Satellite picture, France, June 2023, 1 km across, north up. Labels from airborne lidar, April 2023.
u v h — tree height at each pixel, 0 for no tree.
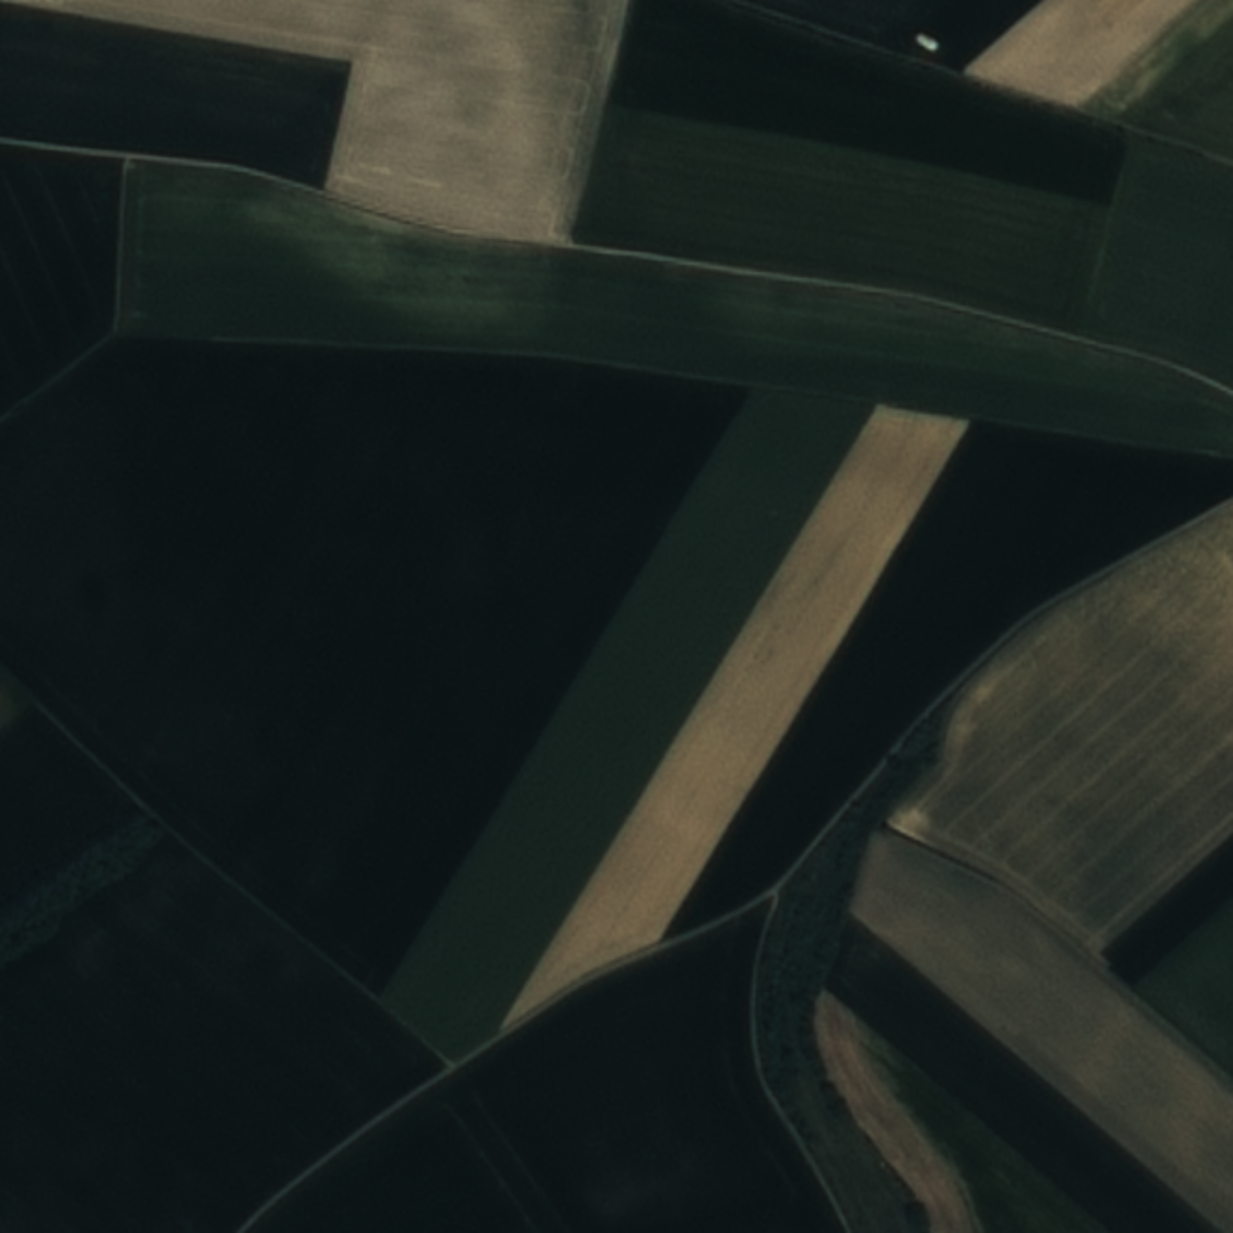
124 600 0
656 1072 0
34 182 0
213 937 0
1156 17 0
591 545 0
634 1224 0
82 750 0
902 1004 0
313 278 0
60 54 0
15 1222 0
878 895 0
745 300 0
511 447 0
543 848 0
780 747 0
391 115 0
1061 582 0
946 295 0
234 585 0
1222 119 0
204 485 0
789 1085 7
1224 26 0
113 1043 0
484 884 0
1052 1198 0
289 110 0
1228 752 0
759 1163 0
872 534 0
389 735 0
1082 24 0
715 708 0
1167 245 0
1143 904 0
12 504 0
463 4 0
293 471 0
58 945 0
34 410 0
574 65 0
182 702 0
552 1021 0
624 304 0
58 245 0
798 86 0
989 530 0
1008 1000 0
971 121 0
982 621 0
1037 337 0
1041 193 0
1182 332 0
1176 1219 0
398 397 0
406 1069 0
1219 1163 0
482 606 0
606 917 0
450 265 0
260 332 0
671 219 0
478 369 0
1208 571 0
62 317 0
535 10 0
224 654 0
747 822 0
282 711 0
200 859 0
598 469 0
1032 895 0
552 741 0
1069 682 0
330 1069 0
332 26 0
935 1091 0
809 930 6
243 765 0
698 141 0
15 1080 0
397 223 0
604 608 0
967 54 0
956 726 0
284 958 0
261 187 0
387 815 0
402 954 0
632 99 0
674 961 0
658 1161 0
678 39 0
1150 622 0
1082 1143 0
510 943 0
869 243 0
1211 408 0
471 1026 0
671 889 0
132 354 0
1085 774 0
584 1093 0
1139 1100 0
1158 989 0
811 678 0
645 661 0
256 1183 0
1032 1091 0
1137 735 0
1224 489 0
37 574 0
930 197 0
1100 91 0
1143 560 0
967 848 0
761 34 0
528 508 0
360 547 0
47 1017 0
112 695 0
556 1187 0
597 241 0
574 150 0
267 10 0
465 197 0
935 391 0
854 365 0
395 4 0
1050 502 0
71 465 0
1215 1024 0
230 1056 0
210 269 0
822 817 0
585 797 0
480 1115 0
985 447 0
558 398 0
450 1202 0
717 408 0
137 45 0
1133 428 0
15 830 0
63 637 0
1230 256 0
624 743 0
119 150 0
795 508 0
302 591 0
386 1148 0
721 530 0
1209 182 0
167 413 0
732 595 0
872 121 0
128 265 0
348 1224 0
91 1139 0
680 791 0
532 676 0
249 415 0
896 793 0
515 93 0
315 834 0
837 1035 0
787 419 0
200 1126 0
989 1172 0
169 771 0
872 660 0
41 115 0
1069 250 0
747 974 0
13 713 0
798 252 0
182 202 0
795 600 0
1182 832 0
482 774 0
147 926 0
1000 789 0
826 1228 0
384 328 0
